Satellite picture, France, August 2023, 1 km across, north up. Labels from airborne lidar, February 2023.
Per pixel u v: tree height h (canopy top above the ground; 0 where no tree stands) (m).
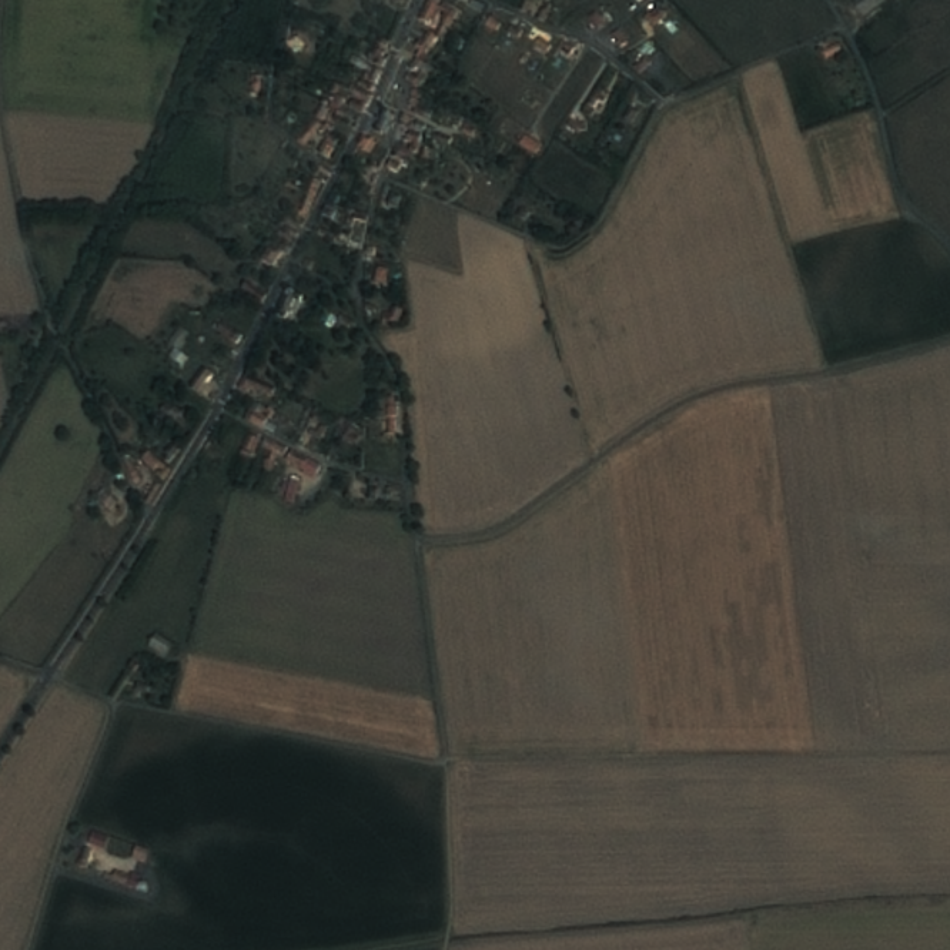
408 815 0
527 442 0
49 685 0
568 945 0
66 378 0
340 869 0
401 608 0
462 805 0
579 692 0
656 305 0
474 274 0
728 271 0
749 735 0
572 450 0
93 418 9
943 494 0
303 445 0
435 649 0
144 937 0
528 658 0
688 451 0
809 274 0
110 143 0
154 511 0
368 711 0
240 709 0
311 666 0
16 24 0
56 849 0
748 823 0
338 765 0
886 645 0
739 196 0
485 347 0
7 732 0
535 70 0
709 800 0
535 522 0
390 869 0
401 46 0
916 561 0
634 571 0
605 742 0
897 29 0
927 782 0
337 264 0
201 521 0
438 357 0
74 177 0
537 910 0
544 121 0
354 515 0
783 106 0
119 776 0
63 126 0
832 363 0
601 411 0
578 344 0
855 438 0
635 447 0
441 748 0
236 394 7
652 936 0
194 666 0
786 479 0
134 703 0
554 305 0
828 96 0
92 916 0
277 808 0
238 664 0
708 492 0
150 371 0
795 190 0
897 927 0
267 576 0
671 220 0
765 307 0
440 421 0
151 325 0
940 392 0
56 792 0
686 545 0
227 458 0
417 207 0
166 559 0
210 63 6
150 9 0
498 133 0
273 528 0
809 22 0
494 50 0
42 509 0
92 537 0
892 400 0
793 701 0
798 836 0
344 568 0
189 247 0
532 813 0
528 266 0
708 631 0
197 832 0
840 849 0
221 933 0
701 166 0
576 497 0
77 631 0
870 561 0
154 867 0
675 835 0
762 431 0
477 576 0
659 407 0
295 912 0
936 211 0
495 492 0
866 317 0
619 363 0
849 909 0
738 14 0
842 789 0
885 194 0
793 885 0
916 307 0
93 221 13
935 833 0
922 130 0
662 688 0
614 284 0
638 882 0
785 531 0
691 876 0
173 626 0
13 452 0
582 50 0
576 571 0
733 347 0
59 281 0
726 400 0
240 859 0
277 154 0
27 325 0
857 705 0
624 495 0
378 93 0
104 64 0
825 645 0
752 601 0
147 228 0
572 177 0
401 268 0
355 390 0
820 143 0
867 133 0
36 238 11
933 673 0
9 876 0
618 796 0
